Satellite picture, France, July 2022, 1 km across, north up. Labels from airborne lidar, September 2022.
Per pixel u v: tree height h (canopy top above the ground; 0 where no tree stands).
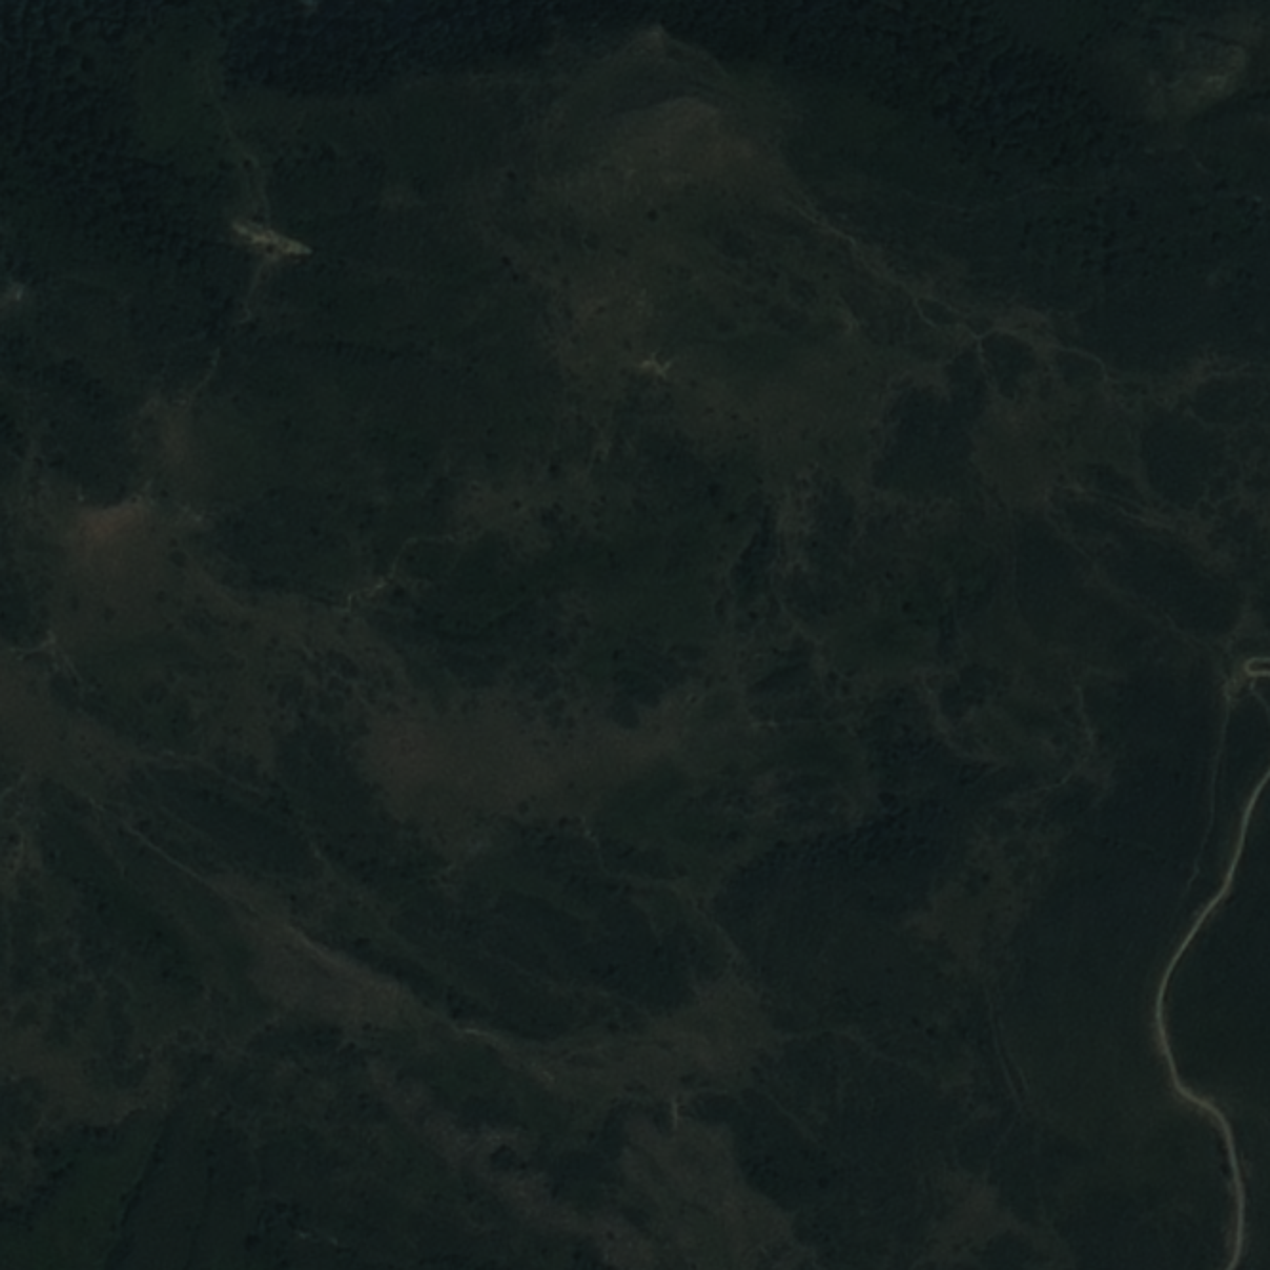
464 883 0
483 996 0
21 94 19
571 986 0
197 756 0
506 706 0
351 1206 0
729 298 0
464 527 0
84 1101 0
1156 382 0
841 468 0
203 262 8
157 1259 0
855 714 0
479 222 0
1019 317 0
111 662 0
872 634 0
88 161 7
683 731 0
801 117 0
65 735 0
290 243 0
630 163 0
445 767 0
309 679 0
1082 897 0
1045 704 0
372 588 0
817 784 0
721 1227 0
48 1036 0
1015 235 0
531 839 6
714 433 0
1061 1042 0
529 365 0
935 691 0
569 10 18
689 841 0
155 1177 0
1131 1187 0
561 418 0
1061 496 0
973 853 0
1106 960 0
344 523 0
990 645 0
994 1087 0
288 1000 0
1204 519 0
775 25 18
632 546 0
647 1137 0
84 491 0
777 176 0
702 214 0
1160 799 0
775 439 0
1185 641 0
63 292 0
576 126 0
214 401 0
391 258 0
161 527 0
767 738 0
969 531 0
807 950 0
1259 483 0
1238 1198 0
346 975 0
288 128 0
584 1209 0
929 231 0
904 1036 0
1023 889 0
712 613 0
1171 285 0
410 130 0
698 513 0
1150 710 0
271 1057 0
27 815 0
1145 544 0
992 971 0
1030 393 0
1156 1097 0
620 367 0
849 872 0
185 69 0
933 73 15
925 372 0
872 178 0
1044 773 0
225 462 0
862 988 0
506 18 23
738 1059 0
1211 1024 0
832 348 0
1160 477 0
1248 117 0
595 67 0
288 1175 0
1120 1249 0
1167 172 0
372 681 0
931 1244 0
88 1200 0
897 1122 0
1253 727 0
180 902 0
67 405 0
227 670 0
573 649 0
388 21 18
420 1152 0
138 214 13
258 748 0
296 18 8
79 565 0
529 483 0
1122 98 0
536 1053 0
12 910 0
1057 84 15
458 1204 0
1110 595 0
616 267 0
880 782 0
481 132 0
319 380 0
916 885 0
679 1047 0
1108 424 0
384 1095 0
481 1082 0
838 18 30
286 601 0
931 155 0
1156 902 0
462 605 0
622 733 0
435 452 0
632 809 0
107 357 0
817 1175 0
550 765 0
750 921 0
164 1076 0
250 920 0
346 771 0
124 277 0
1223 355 0
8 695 0
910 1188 0
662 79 0
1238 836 0
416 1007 0
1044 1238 0
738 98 0
